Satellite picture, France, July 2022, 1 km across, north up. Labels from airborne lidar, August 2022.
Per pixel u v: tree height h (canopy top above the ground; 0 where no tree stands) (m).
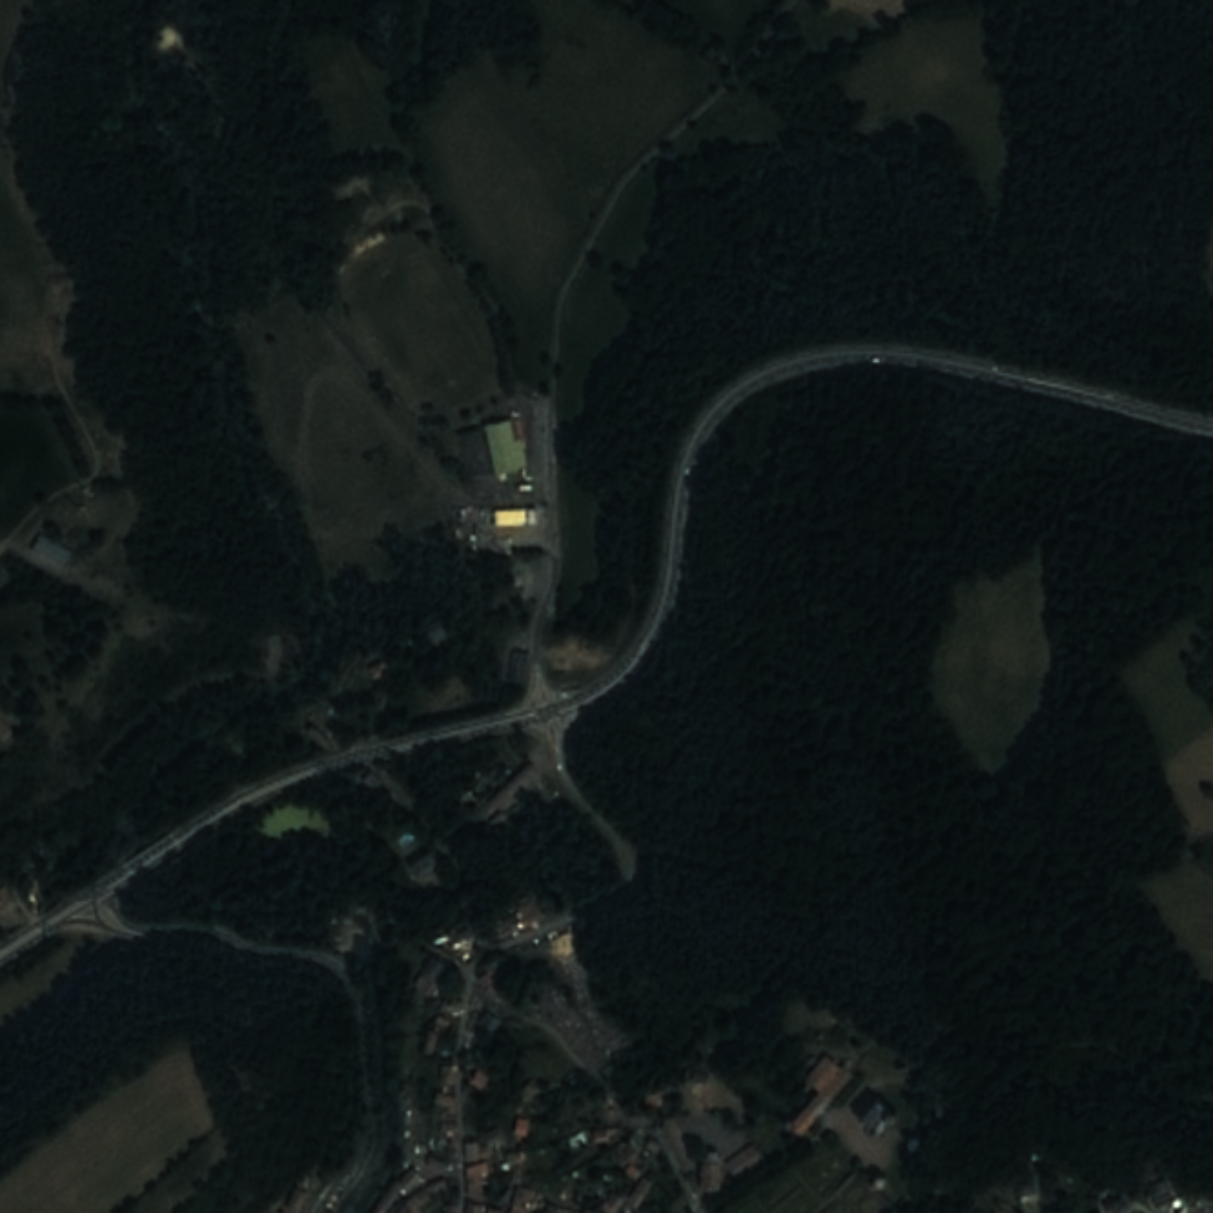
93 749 7
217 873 19
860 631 24
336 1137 20
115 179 19
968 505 20
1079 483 16
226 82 9
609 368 22
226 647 15
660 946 32
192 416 19
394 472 0
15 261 0
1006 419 17
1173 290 14
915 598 20
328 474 0
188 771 20
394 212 0
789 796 24
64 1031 25
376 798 23
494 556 20
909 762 22
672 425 18
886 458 25
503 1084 10
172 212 14
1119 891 24
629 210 0
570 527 0
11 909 0
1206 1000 26
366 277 0
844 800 28
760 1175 10
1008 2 20
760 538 20
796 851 27
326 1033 19
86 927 0
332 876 27
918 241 18
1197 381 11
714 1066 15
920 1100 15
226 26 18
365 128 0
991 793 14
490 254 0
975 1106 24
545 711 0
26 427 0
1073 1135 21
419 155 0
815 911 18
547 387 12
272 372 0
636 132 0
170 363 25
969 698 0
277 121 18
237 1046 9
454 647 6
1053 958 27
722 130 0
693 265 20
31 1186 0
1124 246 14
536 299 0
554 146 0
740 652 19
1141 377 17
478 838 27
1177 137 20
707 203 24
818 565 23
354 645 25
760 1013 18
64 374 0
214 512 21
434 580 19
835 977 22
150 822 13
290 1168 10
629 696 15
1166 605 22
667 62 0
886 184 14
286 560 18
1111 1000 26
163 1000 31
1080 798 19
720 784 26
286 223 13
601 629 10
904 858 23
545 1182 0
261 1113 7
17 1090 25
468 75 0
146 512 9
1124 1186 15
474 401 0
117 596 0
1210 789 10
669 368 18
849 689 22
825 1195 0
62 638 9
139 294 15
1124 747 24
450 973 20
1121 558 27
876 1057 0
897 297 17
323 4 10
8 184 0
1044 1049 18
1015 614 0
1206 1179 11
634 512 8
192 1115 0
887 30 21
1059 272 9
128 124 28
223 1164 11
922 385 23
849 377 24
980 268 25
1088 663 21
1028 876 20
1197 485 26
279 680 11
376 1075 15
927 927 8
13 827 12
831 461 23
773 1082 18
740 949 29
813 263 16
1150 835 19
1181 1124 19
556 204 0
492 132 0
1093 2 19
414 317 0
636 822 16
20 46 11
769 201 21
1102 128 20
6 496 0
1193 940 0
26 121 16
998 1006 22
